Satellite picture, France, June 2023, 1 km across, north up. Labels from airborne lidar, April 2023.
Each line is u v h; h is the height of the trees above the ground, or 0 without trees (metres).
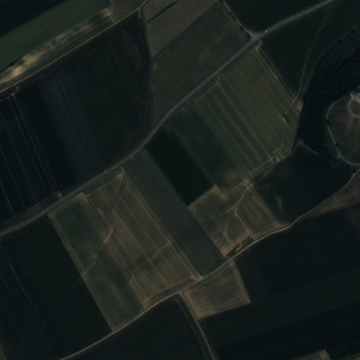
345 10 0
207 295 0
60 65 0
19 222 0
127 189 0
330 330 0
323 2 0
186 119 0
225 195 0
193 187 0
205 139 0
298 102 0
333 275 0
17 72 0
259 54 0
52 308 0
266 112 0
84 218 0
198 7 0
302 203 0
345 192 0
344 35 0
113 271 0
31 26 0
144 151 0
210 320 0
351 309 0
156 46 0
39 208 0
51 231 0
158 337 0
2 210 0
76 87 0
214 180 0
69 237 0
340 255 0
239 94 0
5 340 0
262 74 0
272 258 0
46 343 0
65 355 0
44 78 0
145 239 0
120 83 0
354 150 0
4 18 0
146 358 0
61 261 0
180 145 0
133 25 0
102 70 0
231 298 0
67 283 0
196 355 0
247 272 0
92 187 0
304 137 15
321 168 0
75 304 0
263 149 0
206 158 0
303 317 0
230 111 0
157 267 0
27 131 0
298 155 0
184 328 0
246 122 0
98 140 0
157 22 0
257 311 0
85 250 0
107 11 0
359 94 0
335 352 15
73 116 0
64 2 0
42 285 0
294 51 0
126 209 0
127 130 0
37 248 0
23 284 0
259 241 0
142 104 0
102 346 0
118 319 0
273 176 0
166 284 0
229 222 0
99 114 0
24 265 0
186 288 0
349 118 0
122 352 0
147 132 0
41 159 0
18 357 0
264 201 0
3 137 0
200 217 0
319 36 0
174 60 0
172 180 0
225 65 0
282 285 0
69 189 0
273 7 0
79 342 0
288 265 0
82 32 0
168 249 0
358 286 0
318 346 0
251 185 0
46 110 0
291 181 0
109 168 0
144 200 0
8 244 0
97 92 0
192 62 0
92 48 0
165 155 0
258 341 0
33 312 0
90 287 0
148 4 0
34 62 0
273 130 0
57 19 0
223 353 0
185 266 0
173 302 0
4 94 0
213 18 0
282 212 0
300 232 0
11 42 0
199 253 0
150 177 0
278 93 0
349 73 12
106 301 0
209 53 0
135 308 0
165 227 0
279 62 0
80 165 0
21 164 0
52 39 0
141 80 0
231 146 0
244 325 0
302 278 0
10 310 0
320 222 0
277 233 0
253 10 0
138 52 0
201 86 0
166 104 0
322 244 0
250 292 0
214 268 0
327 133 0
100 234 0
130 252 0
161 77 0
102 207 0
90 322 0
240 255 0
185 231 0
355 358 0
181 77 0
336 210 0
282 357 0
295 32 0
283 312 0
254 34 0
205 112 0
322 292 0
